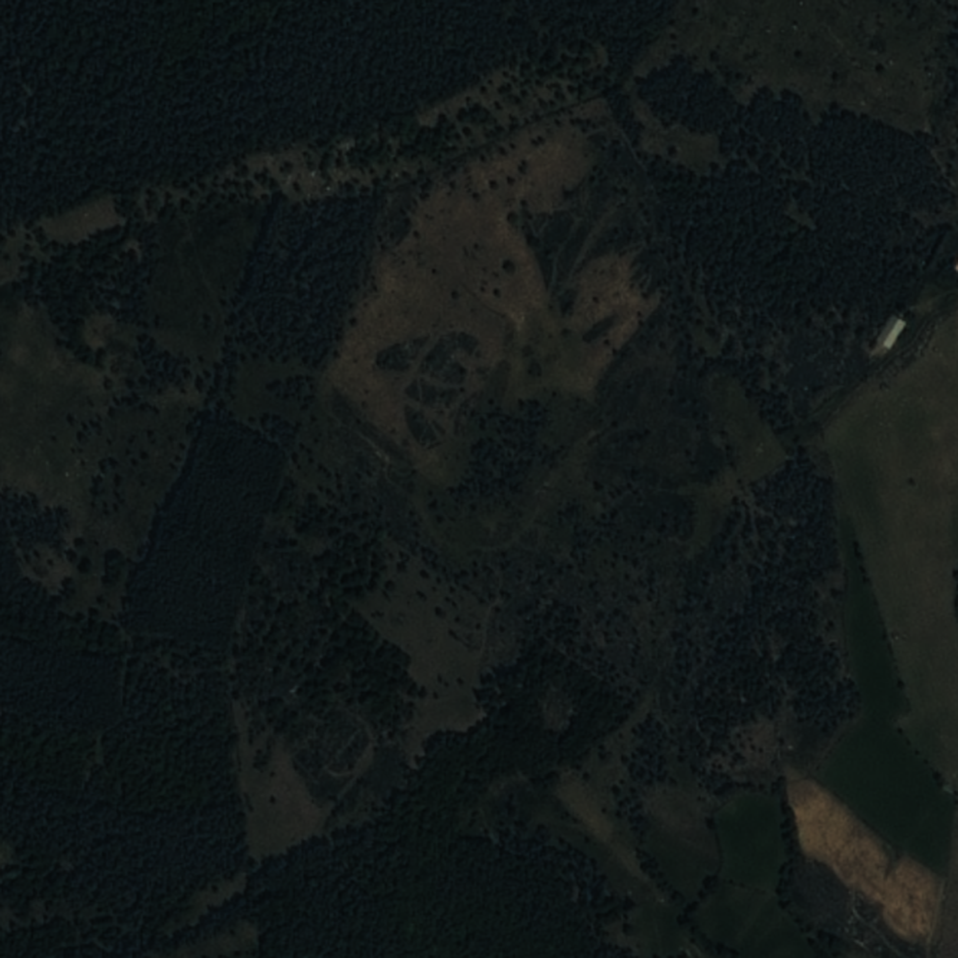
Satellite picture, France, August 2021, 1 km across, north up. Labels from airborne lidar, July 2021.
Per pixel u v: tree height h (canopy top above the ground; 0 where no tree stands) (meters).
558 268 0
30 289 14
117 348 0
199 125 13
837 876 0
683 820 0
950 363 0
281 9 9
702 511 0
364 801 0
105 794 8
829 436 0
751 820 0
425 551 10
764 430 0
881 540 0
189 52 9
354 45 13
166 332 0
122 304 13
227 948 0
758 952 0
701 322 9
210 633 12
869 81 0
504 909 15
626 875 0
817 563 12
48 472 0
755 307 12
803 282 13
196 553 16
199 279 0
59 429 0
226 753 14
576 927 18
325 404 0
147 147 18
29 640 11
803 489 15
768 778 0
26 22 17
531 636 9
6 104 16
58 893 8
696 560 0
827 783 0
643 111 0
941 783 8
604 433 0
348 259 13
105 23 11
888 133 17
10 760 7
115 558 13
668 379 0
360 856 12
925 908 0
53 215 17
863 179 15
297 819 0
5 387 0
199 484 14
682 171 9
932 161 14
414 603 0
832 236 15
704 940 12
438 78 15
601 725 9
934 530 0
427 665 0
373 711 9
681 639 9
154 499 0
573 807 0
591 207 0
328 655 7
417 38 12
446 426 0
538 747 17
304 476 0
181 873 13
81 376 0
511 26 13
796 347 0
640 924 0
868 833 0
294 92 12
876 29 0
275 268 21
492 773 15
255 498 15
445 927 16
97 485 12
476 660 0
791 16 0
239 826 13
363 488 0
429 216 0
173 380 13
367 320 0
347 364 0
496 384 0
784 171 9
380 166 12
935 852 0
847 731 0
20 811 15
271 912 16
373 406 0
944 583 0
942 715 0
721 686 6
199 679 7
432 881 17
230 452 17
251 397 0
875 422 0
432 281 0
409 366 0
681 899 13
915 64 0
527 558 0
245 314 13
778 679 12
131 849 16
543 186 0
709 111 15
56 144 11
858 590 0
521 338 0
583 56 9
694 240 16
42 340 0
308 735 0
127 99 15
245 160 9
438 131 9
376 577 10
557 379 0
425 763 11
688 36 0
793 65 0
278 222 17
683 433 0
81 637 9
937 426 0
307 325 12
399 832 16
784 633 14
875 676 0
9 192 16
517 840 11
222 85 8
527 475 8
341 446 0
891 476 0
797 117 18
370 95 11
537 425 10
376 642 14
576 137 0
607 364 0
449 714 0
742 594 0
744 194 16
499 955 13
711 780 11
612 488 0
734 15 0
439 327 0
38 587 10
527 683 14
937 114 0
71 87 10
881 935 0
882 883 0
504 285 0
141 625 13
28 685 14
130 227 10
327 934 16
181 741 11
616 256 0
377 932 15
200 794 10
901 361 0
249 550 15
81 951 8
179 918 8
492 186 9
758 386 9
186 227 0
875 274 16
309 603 8
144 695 10
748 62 0
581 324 0
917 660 0
